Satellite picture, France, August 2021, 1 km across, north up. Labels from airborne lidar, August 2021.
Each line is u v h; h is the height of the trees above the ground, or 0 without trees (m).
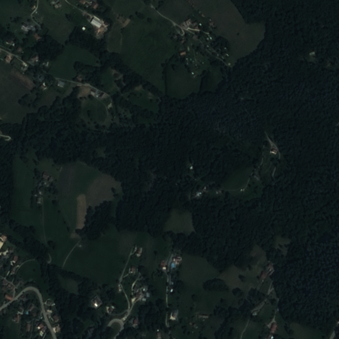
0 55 0
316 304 32
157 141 7
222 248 16
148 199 28
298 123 26
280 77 11
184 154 22
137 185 25
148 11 0
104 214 22
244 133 28
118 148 26
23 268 0
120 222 26
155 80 0
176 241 14
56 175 0
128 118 15
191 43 0
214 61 11
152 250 0
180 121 13
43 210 0
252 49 0
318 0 34
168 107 26
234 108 27
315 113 27
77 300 22
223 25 0
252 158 20
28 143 29
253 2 24
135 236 0
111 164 22
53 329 0
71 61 0
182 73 0
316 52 10
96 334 33
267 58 28
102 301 8
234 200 20
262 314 0
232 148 15
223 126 26
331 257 26
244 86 31
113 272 0
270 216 17
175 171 21
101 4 8
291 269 25
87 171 0
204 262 0
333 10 23
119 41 0
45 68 8
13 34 10
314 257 34
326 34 20
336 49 19
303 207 16
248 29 0
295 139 32
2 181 26
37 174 15
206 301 0
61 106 17
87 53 0
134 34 0
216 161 25
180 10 0
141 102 0
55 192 13
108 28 12
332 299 32
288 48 32
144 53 0
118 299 0
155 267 0
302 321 25
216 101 28
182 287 12
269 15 28
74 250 0
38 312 10
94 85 8
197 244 19
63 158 31
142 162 13
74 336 27
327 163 22
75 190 0
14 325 0
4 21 0
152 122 0
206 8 0
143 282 6
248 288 0
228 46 10
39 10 0
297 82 21
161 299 0
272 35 21
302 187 25
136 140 26
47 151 33
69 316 8
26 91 0
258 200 6
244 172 0
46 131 42
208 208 21
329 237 19
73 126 7
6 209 28
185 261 0
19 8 0
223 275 0
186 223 0
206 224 14
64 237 0
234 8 0
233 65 0
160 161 25
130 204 24
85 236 17
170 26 0
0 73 0
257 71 34
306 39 27
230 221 12
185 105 21
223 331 18
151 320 27
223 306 0
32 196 9
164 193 27
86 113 0
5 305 0
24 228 19
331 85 17
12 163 18
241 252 19
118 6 0
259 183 0
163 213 27
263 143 15
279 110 27
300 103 26
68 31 0
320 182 11
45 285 0
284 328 0
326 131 22
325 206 14
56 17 0
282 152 19
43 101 0
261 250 0
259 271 0
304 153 30
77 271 0
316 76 29
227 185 0
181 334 0
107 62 18
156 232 25
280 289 23
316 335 0
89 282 21
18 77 0
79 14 0
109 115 0
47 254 7
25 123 11
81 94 0
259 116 26
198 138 22
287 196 28
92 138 32
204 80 18
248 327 0
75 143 7
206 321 0
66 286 0
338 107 35
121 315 0
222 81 0
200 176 27
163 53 0
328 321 17
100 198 0
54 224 0
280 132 18
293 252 8
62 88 0
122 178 24
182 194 21
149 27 0
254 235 22
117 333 0
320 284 24
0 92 0
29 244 11
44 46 24
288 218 16
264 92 23
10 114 0
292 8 11
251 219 25
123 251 0
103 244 0
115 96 8
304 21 22
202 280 0
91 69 16
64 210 0
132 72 18
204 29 7
